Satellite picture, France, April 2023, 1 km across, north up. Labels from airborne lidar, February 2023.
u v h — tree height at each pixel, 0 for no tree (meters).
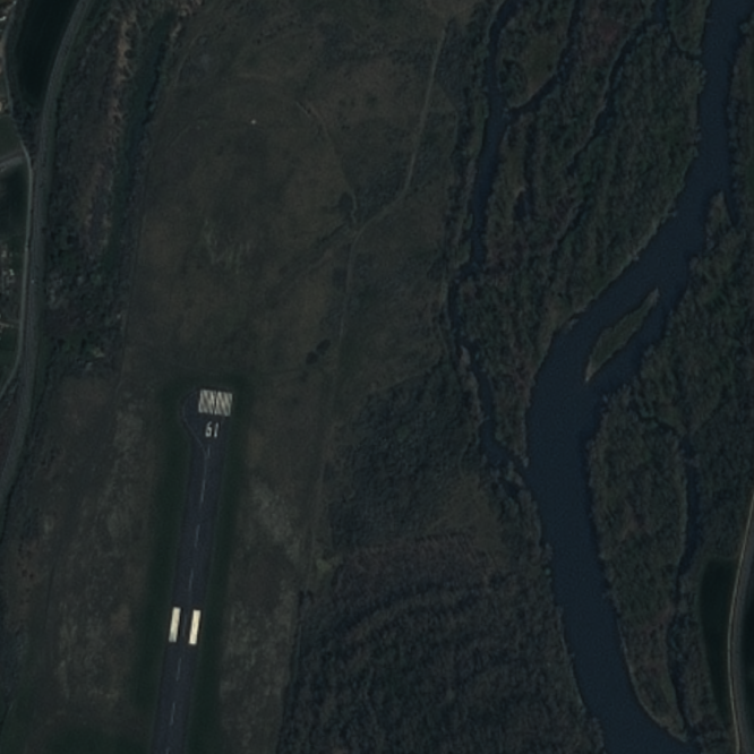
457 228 23
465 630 6
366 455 6
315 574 0
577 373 0
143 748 0
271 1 0
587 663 0
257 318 0
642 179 17
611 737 0
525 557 10
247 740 0
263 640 0
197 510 0
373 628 31
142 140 7
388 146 0
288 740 11
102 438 0
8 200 0
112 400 0
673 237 0
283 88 0
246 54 0
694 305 23
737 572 0
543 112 26
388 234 0
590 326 0
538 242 12
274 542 0
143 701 0
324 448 0
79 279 6
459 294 8
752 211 13
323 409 0
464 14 0
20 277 0
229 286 0
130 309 0
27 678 0
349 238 0
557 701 16
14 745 0
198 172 0
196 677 0
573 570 0
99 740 0
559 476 0
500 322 23
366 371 0
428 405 18
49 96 0
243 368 0
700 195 0
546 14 6
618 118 10
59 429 0
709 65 0
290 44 0
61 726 0
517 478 7
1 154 0
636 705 0
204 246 0
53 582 0
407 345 0
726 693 0
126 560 0
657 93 24
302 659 10
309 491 0
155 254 0
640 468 12
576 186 18
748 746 0
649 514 26
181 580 0
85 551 0
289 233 0
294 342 0
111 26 8
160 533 0
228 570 0
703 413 34
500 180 27
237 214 0
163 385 0
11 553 0
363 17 0
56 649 0
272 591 0
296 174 0
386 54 0
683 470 27
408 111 0
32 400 0
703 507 20
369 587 15
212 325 0
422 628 34
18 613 0
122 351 0
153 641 0
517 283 23
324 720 29
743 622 0
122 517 0
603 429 23
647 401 21
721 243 26
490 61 0
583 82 28
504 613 23
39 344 0
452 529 0
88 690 0
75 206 10
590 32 23
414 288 0
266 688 0
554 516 0
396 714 28
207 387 0
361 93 0
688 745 0
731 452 26
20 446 0
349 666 31
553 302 26
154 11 6
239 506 0
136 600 0
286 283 0
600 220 19
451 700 26
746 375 26
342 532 10
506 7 0
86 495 0
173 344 0
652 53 14
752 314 17
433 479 13
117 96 9
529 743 7
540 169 26
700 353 28
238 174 0
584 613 0
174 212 0
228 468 0
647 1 20
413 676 13
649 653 24
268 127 0
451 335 11
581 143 19
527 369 26
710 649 0
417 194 8
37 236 0
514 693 14
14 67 17
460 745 28
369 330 0
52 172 0
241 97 0
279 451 0
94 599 0
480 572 13
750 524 0
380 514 6
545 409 0
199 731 0
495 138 0
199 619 0
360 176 0
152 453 0
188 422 0
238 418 0
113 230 0
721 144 0
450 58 9
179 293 0
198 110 0
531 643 9
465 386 22
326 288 0
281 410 0
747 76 0
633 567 16
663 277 0
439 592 16
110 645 0
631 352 0
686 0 12
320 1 0
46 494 0
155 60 0
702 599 0
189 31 0
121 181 0
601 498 24
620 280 0
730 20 0
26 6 16
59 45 0
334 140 0
